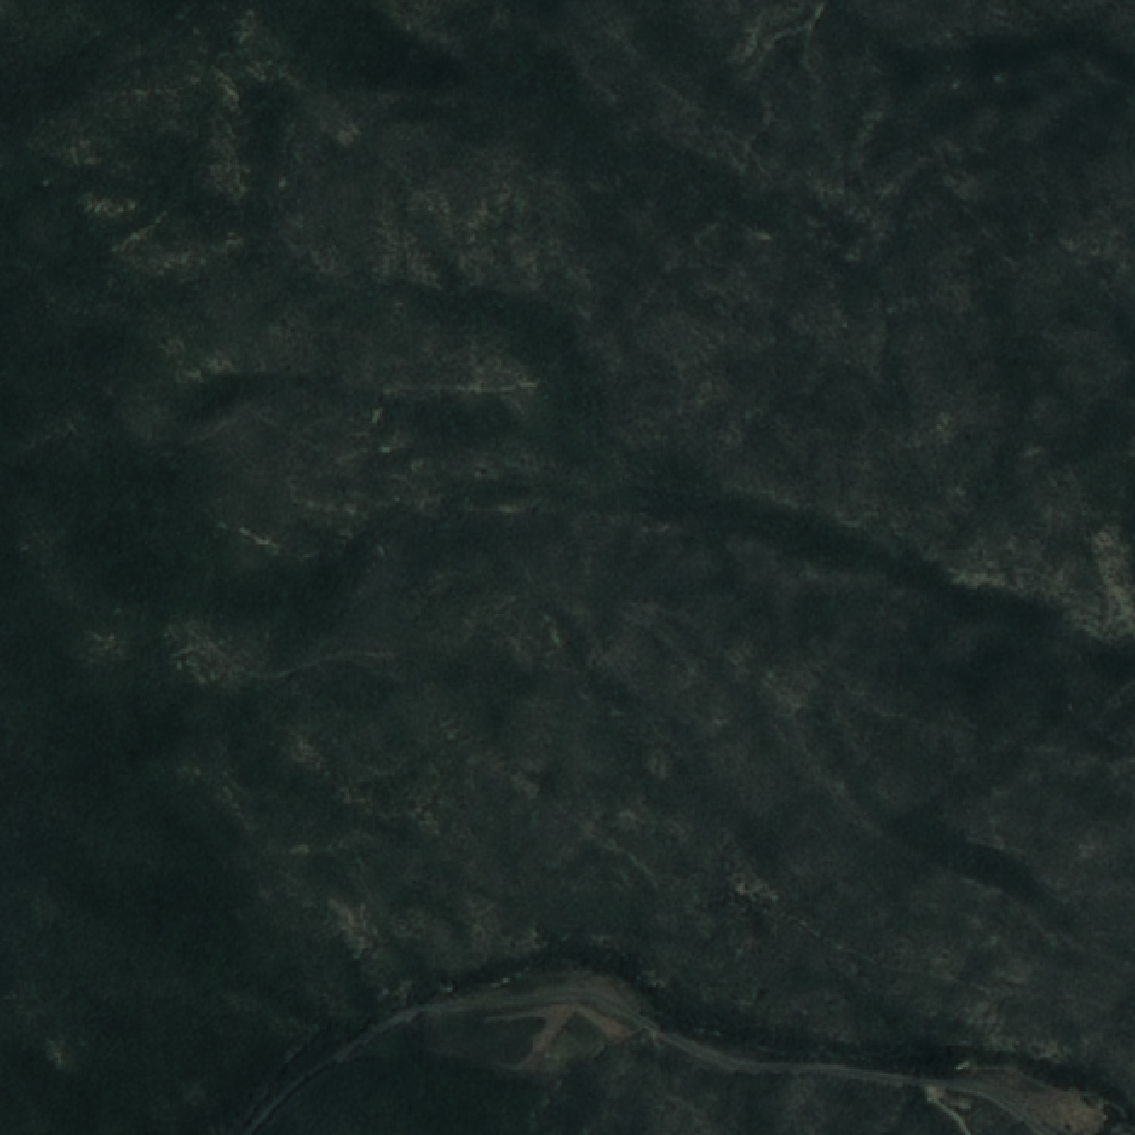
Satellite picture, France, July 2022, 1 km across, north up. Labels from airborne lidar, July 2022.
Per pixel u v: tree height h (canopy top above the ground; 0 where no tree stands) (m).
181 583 7
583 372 6
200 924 9
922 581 6
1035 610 7
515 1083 6
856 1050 6
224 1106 7
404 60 8
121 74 6
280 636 6
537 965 7
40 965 6
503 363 0
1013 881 7
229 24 6
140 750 7
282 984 10
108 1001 7
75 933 6
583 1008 0
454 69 6
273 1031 5
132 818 6
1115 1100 6
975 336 0
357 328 6
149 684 6
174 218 7
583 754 0
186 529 7
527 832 0
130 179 7
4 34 6
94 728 7
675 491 7
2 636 6
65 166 7
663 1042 0
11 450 6
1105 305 6
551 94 6
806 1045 7
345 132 0
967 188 0
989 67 6
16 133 6
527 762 0
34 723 6
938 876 0
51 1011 6
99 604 5
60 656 6
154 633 6
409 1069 9
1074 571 0
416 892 6
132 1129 9
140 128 5
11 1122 6
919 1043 6
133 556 6
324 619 7
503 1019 0
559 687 0
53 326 6
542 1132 6
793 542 7
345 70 7
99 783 7
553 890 0
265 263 5
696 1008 5
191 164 7
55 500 6
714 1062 0
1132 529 8
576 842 0
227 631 7
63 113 6
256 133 6
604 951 6
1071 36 6
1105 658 6
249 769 8
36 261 7
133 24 7
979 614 6
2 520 5
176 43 6
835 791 0
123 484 10
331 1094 7
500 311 6
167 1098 6
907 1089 6
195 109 6
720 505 7
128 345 6
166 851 7
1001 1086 0
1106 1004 0
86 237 7
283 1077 10
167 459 6
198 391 7
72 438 7
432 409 6
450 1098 6
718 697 0
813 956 0
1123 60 6
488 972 6
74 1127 9
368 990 6
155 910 6
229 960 7
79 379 7
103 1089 7
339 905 0
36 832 6
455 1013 0
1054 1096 0
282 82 6
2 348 6
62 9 6
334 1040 7
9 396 6
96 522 7
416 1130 6
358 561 7
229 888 6
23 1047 10
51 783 6
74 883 8
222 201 7
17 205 6
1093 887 0
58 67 7
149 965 6
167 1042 8
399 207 6
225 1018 6
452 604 5
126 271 6
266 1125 6
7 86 7
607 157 5
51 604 6
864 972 6
